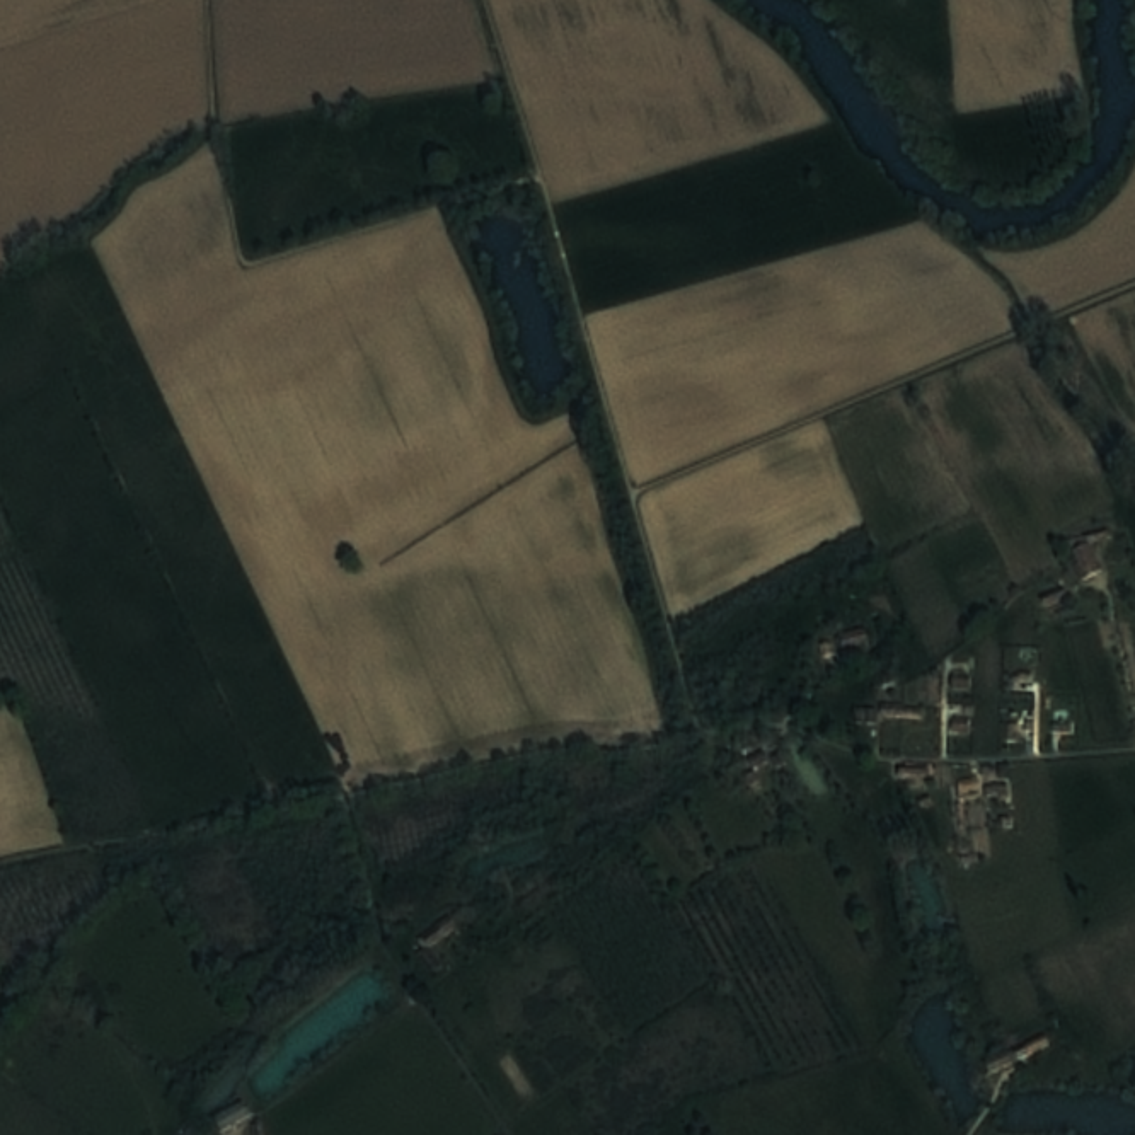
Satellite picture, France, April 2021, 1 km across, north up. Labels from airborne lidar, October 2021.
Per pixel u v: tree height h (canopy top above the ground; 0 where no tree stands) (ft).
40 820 0
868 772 32
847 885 62
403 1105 0
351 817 35
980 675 0
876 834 34
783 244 0
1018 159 34
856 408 0
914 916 55
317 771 0
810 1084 0
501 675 0
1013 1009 0
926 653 0
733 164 0
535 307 0
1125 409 0
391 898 0
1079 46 0
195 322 0
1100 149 0
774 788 35
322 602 0
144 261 0
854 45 46
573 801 28
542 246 58
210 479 0
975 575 0
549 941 19
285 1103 0
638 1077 0
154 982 0
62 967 80
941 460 0
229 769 0
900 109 41
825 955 0
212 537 0
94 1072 0
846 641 0
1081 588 20
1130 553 25
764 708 43
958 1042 52
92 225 37
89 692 23
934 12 0
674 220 0
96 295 0
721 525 0
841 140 0
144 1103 0
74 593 0
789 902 0
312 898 39
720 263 0
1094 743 0
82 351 0
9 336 0
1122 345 0
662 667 19
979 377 0
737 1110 0
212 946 22
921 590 0
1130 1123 0
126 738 0
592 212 0
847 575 24
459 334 0
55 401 0
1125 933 0
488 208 76
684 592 0
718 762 23
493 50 0
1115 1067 22
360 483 0
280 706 0
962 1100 0
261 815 62
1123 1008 0
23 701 60
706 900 25
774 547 0
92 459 0
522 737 0
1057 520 0
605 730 0
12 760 0
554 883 29
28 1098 0
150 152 27
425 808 20
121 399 0
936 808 0
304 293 0
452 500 0
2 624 75
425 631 0
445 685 0
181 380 0
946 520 0
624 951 46
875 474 0
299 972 63
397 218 51
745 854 33
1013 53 0
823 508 0
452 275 0
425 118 0
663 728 0
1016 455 0
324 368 0
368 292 0
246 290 0
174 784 0
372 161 0
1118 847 0
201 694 0
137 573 0
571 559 0
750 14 33
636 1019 40
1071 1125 0
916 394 45
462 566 0
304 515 0
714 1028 0
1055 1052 0
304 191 0
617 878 41
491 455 0
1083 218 50
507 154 0
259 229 0
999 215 0
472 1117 0
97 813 21
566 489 0
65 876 0
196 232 0
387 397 0
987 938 0
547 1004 0
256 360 0
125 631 0
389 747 0
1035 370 0
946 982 31
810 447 0
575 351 23
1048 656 0
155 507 0
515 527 0
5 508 28
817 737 44
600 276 0
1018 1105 0
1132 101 0
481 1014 0
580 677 0
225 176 44
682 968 40
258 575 0
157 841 23
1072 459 0
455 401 0
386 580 0
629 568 20
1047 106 58
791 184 0
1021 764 0
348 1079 0
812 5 25
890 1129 0
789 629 0
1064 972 0
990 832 18
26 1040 0
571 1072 0
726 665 33
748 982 23
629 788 27
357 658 0
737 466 0
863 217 0
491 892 29
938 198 0
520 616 0
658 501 0
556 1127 0
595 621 0
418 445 0
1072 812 0
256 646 0
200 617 0
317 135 0
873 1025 0
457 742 0
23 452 0
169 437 0
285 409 0
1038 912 0
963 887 0
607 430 65
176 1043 0
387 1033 0
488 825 25
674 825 44
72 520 0
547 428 0
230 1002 96
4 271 38
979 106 0
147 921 0
